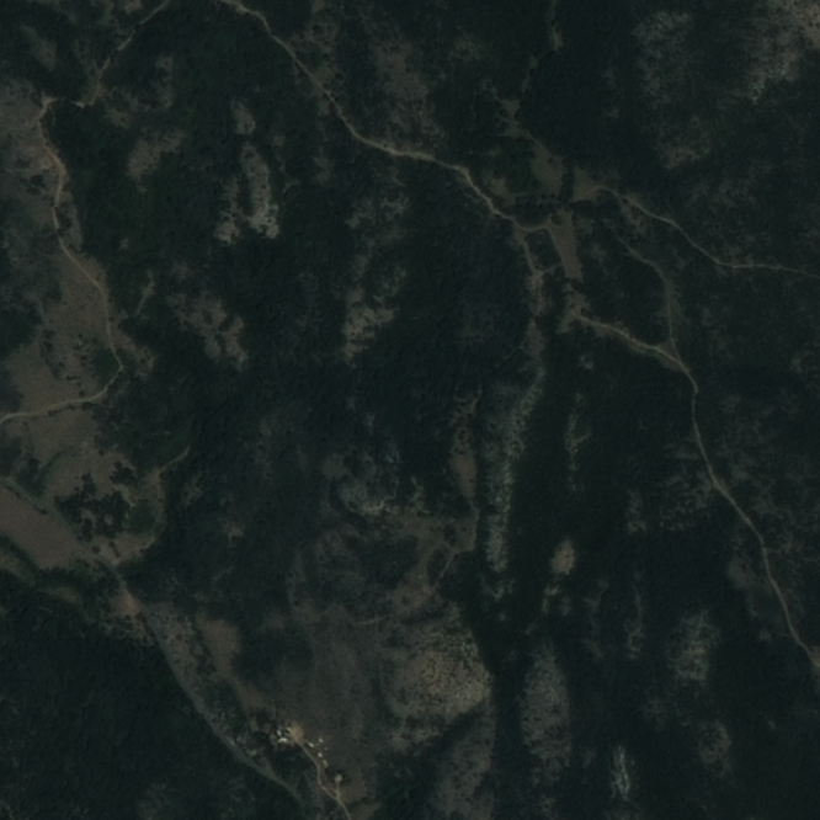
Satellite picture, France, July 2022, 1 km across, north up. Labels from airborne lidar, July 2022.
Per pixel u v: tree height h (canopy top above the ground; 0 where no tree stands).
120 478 8
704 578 7
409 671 0
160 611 0
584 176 0
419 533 0
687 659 0
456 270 9
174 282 8
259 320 10
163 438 6
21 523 0
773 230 6
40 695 6
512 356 6
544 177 0
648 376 9
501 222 7
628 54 6
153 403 6
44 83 6
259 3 7
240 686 0
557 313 7
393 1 6
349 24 6
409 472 6
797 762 6
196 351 6
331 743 0
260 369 9
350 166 8
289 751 5
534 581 7
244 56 6
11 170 0
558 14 9
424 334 6
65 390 0
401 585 0
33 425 0
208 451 10
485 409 12
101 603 6
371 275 6
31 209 0
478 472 6
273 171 7
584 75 9
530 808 6
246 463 7
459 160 6
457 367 6
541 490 8
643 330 7
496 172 8
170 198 9
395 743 0
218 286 6
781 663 6
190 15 7
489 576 7
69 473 0
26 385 0
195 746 5
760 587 0
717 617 6
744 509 6
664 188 6
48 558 0
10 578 9
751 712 6
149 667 10
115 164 6
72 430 0
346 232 9
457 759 0
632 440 7
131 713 10
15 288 6
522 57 9
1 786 8
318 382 6
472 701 0
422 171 7
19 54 6
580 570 6
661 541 7
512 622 7
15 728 6
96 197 9
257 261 13
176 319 6
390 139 0
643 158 6
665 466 5
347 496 0
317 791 0
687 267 6
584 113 7
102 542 0
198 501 7
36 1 7
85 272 0
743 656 8
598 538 9
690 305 6
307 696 0
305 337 7
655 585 6
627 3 5
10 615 9
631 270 7
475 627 9
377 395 7
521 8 8
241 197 7
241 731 6
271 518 7
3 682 6
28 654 7
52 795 17
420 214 9
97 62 6
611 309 6
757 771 6
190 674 0
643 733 6
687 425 7
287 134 8
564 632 6
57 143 5
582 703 7
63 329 0
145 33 8
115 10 6
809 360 5
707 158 6
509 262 6
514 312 7
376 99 7
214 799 5
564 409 8
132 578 11
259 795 6
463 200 6
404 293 6
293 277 8
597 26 9
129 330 7
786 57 0
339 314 6
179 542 8
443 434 7
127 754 8
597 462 8
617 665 5
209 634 0
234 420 7
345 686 0
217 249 7
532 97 12
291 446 7
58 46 7
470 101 10
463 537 0
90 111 6
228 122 7
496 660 6
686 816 6
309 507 6
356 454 8
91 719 6
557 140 8
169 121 6
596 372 7
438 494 8
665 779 6
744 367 6
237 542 8
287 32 6
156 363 7
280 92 7
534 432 8
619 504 8
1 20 6
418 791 11
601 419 6
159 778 6
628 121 6
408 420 8
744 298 6
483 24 7
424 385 7
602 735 6
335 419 10
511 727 7
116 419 8
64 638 10
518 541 10
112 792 7
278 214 8
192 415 13
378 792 7
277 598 8
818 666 0
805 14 0
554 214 5
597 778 6
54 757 9
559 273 6
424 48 6
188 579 6
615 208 7
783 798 8
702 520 6
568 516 8
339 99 10
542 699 0
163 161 8
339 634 0
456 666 0
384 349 7
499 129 8
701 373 7
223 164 7
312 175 6
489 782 7
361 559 7
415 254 7
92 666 16
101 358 6
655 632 5
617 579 6
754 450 5
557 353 8
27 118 0
